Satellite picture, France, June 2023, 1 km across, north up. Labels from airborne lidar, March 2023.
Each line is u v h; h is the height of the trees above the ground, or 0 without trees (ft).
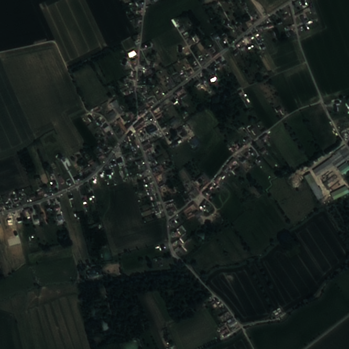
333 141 0
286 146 0
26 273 0
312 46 0
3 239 0
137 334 39
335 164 0
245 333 0
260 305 0
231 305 0
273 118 0
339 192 0
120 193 0
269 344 0
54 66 0
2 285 0
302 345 0
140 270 0
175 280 52
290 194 0
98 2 0
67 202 0
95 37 0
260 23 0
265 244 0
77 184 0
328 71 0
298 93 0
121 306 73
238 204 0
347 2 0
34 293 0
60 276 0
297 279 0
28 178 0
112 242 0
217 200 0
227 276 0
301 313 0
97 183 0
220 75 35
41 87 0
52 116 0
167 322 0
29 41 0
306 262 0
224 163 0
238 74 0
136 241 0
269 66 0
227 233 0
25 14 0
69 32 0
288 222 38
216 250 0
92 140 0
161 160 0
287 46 0
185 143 0
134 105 19
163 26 0
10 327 0
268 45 0
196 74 0
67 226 0
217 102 53
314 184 0
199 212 0
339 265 0
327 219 0
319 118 0
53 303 0
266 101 0
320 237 0
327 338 0
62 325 0
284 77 0
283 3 0
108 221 0
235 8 0
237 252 0
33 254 0
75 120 0
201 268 0
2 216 0
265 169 0
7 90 0
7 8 0
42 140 0
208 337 0
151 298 0
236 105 28
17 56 0
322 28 0
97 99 0
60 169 0
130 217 0
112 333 27
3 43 0
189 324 0
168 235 0
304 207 0
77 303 0
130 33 0
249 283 0
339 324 0
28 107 0
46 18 0
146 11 0
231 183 0
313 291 0
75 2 0
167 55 0
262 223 0
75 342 0
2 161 0
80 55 0
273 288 0
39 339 0
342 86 0
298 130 0
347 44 0
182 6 0
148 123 0
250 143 0
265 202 0
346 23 0
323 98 0
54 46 0
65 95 0
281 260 0
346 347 0
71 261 0
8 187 0
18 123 0
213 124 0
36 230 0
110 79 0
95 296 64
